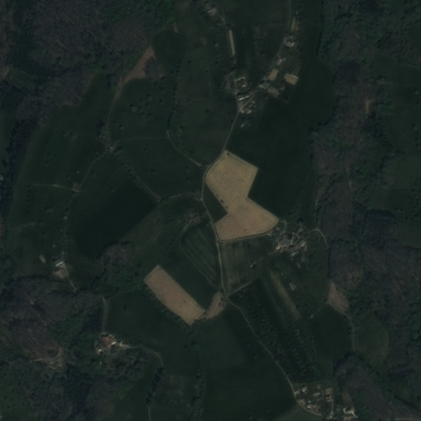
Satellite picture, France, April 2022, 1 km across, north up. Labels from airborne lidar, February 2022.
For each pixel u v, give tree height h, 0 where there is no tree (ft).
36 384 96
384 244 106
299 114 0
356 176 90
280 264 0
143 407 0
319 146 94
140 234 0
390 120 0
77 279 0
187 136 0
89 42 98
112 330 0
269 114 0
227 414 0
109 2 88
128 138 0
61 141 0
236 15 0
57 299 107
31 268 0
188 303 0
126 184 0
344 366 88
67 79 100
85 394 87
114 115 0
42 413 98
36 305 30
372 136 62
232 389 0
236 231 0
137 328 0
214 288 0
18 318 123
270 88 0
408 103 0
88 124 0
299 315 0
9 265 84
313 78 0
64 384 85
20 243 0
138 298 0
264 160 0
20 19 96
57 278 0
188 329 50
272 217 0
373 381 117
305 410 0
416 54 32
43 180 0
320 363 0
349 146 75
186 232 0
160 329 0
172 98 0
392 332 29
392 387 0
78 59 91
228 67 0
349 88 78
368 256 115
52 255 0
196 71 0
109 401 98
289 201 0
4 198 44
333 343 0
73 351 102
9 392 0
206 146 0
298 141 0
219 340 0
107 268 78
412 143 0
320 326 0
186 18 0
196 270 0
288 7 0
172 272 0
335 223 105
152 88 0
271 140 0
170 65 0
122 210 0
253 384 0
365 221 22
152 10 63
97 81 0
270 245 0
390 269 119
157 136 0
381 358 0
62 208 0
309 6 0
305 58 0
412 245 0
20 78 0
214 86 0
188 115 0
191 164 0
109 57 103
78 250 0
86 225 0
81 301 115
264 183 0
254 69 0
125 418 0
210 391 0
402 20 28
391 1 78
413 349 73
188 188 0
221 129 0
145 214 0
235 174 0
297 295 0
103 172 0
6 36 102
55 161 0
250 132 0
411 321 73
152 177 0
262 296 0
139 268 26
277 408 0
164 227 0
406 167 0
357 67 78
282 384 0
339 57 94
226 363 0
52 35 92
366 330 0
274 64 0
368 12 98
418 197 29
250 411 0
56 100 101
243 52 0
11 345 0
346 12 21
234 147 0
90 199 0
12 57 69
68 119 0
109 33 97
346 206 94
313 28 0
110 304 0
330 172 83
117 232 0
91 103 0
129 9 73
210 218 0
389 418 111
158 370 0
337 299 0
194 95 0
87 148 0
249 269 0
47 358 91
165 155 0
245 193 0
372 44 74
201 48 0
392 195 0
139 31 102
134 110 32
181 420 0
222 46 0
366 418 74
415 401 0
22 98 74
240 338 0
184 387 0
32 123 44
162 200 31
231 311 0
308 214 0
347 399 0
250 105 0
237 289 0
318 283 0
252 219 0
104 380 103
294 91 0
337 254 96
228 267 0
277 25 0
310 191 0
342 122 82
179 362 0
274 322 0
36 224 0
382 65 0
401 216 0
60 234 0
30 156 0
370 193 23
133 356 77
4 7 112
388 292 89
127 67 95
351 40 111
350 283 133
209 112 18
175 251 0
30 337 99
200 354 21
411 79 0
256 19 0
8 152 0
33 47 70
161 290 0
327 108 0
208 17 21
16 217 0
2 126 0
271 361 0
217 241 0
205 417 0
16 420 0
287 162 0
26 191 0
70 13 81
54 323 114
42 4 86
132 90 0
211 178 0
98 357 0
